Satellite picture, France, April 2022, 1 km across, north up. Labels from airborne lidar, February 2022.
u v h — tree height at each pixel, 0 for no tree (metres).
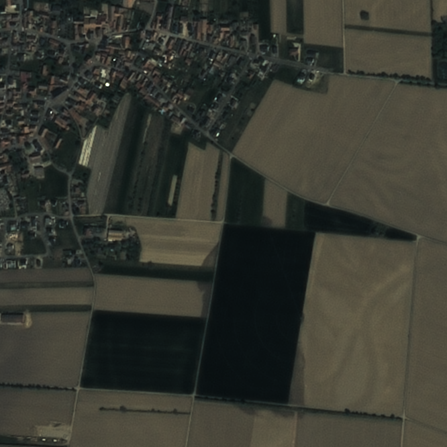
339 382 0
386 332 0
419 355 0
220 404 0
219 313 0
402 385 0
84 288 0
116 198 0
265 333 0
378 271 0
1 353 0
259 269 0
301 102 0
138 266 0
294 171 0
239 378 0
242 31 0
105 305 0
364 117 0
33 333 0
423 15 0
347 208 0
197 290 0
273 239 0
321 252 0
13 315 0
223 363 0
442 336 0
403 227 0
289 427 0
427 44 0
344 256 0
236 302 0
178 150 0
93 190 0
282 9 0
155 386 0
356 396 0
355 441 0
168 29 0
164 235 0
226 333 0
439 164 0
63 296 0
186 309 0
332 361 0
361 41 0
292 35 0
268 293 0
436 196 0
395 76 8
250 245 0
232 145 0
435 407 0
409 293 0
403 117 0
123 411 12
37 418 0
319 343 0
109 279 0
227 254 0
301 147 0
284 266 0
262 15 0
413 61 0
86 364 0
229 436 0
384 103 0
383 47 0
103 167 0
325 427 0
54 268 0
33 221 0
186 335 0
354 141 0
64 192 0
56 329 0
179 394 0
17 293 0
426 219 0
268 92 0
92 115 0
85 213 0
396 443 0
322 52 0
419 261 0
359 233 0
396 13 0
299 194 0
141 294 0
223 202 0
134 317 0
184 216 0
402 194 0
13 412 0
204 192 0
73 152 0
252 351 0
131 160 0
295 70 0
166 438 0
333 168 0
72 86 0
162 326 0
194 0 0
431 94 0
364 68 0
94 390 0
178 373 0
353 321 0
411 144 0
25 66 0
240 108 0
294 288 0
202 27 0
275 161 0
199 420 0
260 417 0
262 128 0
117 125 0
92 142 0
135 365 0
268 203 0
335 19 0
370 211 0
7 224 0
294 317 0
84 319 0
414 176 0
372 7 0
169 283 0
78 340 0
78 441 0
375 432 0
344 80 0
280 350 0
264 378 0
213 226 0
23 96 0
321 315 0
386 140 0
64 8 6
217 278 0
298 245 0
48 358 0
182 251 0
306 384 0
